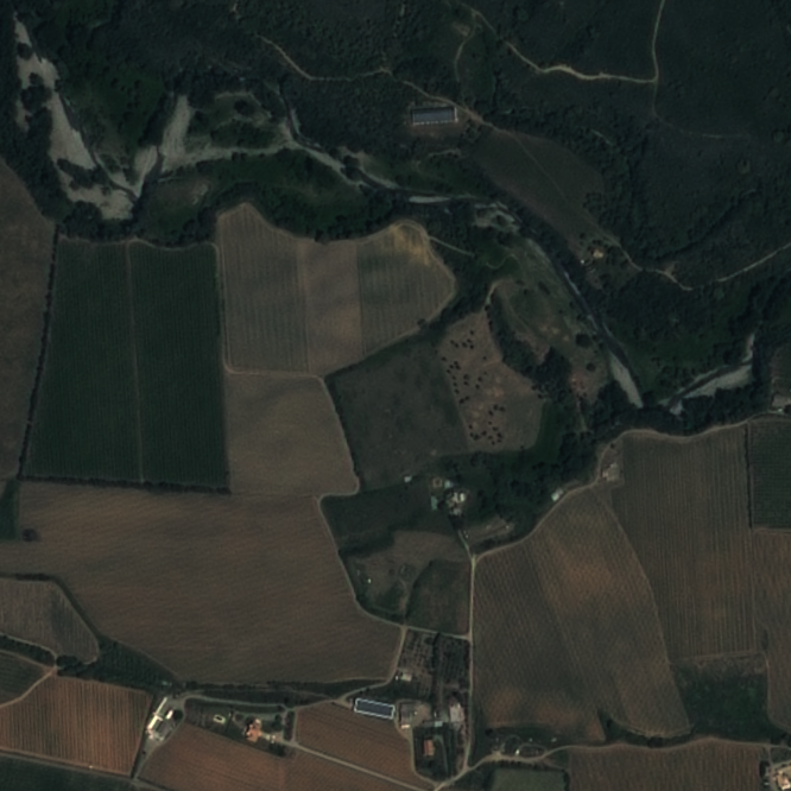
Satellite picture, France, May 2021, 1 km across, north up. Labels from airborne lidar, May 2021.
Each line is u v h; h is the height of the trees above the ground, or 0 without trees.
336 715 0
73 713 0
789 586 0
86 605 0
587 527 0
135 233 10
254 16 7
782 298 24
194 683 6
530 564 0
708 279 7
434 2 9
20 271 0
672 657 0
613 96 8
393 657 0
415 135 0
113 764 0
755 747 0
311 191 0
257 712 0
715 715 0
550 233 9
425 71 10
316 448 0
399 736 0
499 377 0
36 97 22
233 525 0
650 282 8
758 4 6
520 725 0
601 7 6
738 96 6
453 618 0
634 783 0
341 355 0
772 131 6
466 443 0
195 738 0
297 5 7
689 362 0
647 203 10
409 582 0
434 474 0
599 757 0
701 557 0
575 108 13
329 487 0
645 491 0
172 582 0
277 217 5
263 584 0
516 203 8
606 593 0
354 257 0
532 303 0
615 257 8
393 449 0
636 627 0
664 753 0
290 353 0
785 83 6
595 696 0
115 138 0
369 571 0
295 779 0
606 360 0
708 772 0
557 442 7
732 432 0
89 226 21
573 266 20
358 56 7
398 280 0
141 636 0
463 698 14
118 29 9
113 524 0
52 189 29
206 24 10
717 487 0
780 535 0
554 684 0
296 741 0
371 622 0
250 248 0
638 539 0
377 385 0
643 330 14
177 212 0
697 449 0
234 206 0
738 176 6
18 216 0
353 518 0
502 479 7
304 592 0
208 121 19
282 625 0
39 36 22
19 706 0
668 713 0
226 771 0
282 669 0
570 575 0
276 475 0
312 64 9
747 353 15
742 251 10
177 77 7
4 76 31
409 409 0
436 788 0
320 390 0
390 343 0
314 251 0
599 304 15
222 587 0
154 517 0
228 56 12
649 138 8
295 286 0
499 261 0
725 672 0
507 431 0
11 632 0
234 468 0
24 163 10
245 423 0
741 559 0
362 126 8
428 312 0
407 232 0
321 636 0
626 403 27
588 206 7
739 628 0
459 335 0
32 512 0
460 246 8
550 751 0
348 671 0
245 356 0
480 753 0
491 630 0
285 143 0
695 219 12
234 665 0
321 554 0
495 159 0
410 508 0
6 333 0
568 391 16
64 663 11
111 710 0
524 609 0
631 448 0
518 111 10
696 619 0
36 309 0
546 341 0
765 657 0
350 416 0
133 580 0
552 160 0
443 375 0
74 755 0
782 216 24
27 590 0
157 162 0
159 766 0
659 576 0
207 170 13
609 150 15
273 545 0
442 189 9
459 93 10
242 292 0
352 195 0
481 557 0
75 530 0
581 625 0
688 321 9
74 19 8
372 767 0
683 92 9
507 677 0
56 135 0
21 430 0
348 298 0
